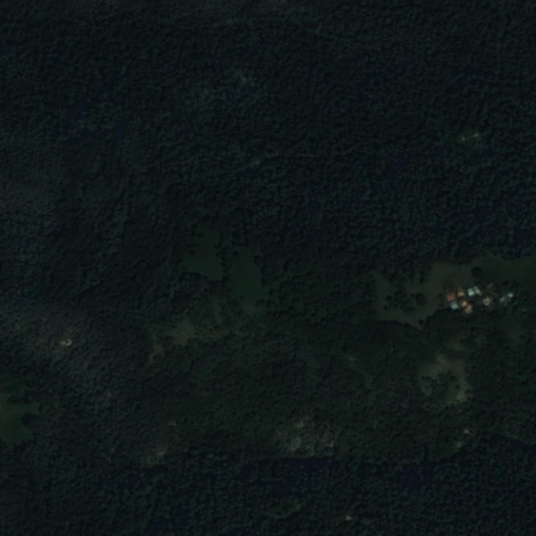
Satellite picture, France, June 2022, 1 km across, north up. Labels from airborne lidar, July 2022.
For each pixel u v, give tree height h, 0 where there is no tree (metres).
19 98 24
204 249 0
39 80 32
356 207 15
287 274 17
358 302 7
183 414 27
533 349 17
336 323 15
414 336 12
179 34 31
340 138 17
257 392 22
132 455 9
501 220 28
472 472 27
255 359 22
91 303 21
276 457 21
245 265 0
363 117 19
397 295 11
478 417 26
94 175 23
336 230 25
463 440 21
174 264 20
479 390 15
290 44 32
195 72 22
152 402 19
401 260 24
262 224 33
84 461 19
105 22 28
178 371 18
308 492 33
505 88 12
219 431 19
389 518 36
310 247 31
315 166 17
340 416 21
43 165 19
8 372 28
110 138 22
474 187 16
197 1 20
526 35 17
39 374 27
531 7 23
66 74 24
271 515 9
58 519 23
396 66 12
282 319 14
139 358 17
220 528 24
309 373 26
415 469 30
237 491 17
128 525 23
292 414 14
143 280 25
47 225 16
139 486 17
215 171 17
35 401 19
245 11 20
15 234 10
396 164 11
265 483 8
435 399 12
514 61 16
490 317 12
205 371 25
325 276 18
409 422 21
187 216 22
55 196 14
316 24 9
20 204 15
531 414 20
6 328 18
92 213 19
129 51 23
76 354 14
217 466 14
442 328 17
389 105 15
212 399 18
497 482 28
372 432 22
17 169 17
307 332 13
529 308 8
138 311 18
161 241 30
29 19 29
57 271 28
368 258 22
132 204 24
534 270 0
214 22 20
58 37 33
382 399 23
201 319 8
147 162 23
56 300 20
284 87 25
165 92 24
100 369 16
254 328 11
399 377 16
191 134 23
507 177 29
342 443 25
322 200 26
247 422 25
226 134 22
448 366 0
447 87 18
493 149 23
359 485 18
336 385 23
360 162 22
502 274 0
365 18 28
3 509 15
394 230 32
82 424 16
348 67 25
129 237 29
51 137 20
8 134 13
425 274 16
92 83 32
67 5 24
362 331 16
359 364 7
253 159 20
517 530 36
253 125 24
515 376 12
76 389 13
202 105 19
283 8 22
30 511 22
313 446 12
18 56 19
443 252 30
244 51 26
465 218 28
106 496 27
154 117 26
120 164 24
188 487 13
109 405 19
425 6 17
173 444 18
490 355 13
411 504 15
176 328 15
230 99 22
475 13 20
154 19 19
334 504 33
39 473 25
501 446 28
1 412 0
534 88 29
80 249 13
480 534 19
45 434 21
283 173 32
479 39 18
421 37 14
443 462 17
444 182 28
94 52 31
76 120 19
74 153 23
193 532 26
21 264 17
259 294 0
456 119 16
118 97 18
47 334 13
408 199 34
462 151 16
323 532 35
